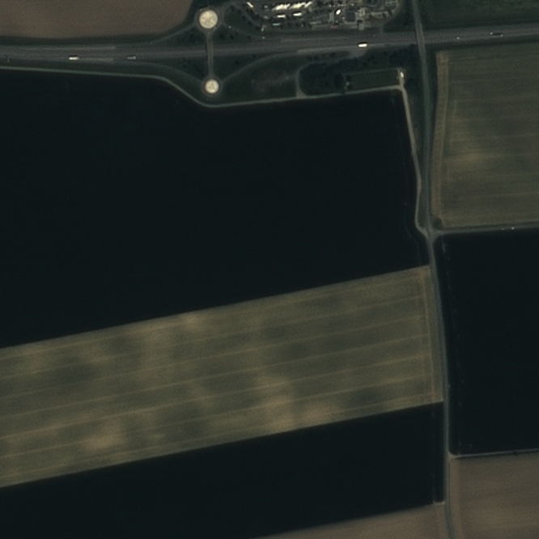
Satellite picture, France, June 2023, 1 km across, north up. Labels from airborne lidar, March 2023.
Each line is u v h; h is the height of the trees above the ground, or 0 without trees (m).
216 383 0
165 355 0
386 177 0
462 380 0
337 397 0
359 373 0
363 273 0
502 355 0
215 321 0
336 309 0
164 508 0
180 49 0
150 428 0
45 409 0
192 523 0
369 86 0
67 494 0
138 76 0
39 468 0
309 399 0
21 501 0
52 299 0
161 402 0
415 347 0
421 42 0
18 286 0
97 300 0
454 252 0
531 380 0
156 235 0
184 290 0
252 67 0
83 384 0
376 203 0
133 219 0
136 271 0
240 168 0
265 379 0
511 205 0
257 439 0
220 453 0
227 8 0
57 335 0
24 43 0
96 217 0
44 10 0
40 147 0
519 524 0
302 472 0
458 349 0
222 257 0
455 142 0
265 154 0
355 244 0
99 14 0
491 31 0
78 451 0
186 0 0
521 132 0
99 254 0
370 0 8
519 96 0
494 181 0
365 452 0
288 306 0
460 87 0
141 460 0
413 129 0
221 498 0
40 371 0
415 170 0
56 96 0
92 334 0
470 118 0
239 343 0
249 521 0
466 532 0
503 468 0
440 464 0
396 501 0
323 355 0
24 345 0
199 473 0
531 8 0
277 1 0
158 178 0
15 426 0
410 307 0
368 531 0
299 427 0
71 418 0
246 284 0
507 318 0
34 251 0
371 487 0
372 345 0
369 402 0
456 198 0
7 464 0
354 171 0
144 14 0
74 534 0
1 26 0
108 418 0
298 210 0
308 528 0
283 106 0
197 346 0
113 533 0
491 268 0
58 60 0
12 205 0
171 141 0
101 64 0
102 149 0
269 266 0
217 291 0
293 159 0
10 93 0
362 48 0
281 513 0
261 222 0
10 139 0
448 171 0
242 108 0
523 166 0
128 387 0
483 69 0
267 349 0
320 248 0
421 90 0
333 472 0
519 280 0
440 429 0
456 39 0
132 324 0
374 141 0
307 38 0
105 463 0
